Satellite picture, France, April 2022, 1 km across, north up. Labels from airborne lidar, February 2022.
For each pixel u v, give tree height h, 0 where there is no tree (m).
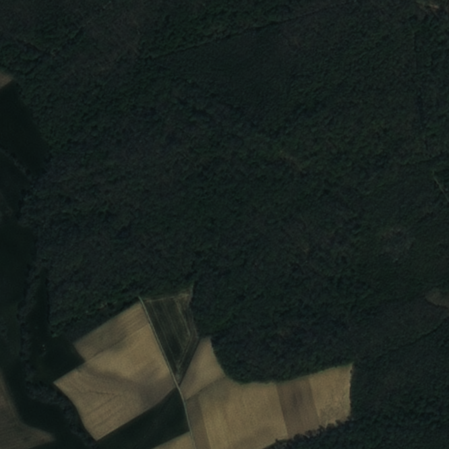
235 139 32
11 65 18
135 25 27
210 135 21
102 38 28
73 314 27
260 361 30
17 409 0
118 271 31
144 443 0
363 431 24
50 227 33
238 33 14
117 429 0
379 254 16
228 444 0
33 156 0
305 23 26
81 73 27
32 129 0
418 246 16
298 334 26
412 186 18
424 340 17
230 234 29
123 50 27
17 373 0
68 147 19
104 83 23
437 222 13
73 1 21
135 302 8
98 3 17
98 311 10
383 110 24
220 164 33
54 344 0
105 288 32
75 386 0
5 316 0
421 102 24
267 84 18
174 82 28
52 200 27
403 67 20
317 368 14
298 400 0
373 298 21
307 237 25
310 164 31
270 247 34
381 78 23
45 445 0
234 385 0
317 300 29
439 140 27
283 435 0
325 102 20
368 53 19
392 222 19
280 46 19
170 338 0
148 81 19
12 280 0
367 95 21
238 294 26
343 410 0
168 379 0
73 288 33
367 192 20
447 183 13
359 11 22
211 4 21
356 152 31
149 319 0
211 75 18
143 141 31
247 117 31
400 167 20
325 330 34
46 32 22
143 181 31
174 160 30
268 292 28
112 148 31
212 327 14
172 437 0
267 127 19
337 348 31
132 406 0
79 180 22
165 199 31
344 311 23
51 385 0
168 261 29
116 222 27
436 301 0
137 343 0
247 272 34
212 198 27
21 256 0
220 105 29
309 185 29
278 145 35
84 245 31
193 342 0
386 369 21
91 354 0
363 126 33
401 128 24
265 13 18
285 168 34
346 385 0
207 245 28
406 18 16
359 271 12
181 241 30
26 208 22
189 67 15
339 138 31
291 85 21
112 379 0
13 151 0
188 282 17
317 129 34
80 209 17
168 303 0
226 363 25
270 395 0
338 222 26
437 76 24
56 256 32
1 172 0
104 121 28
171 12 24
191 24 18
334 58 22
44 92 26
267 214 31
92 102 20
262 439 0
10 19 22
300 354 29
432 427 19
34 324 0
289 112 19
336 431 26
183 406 0
